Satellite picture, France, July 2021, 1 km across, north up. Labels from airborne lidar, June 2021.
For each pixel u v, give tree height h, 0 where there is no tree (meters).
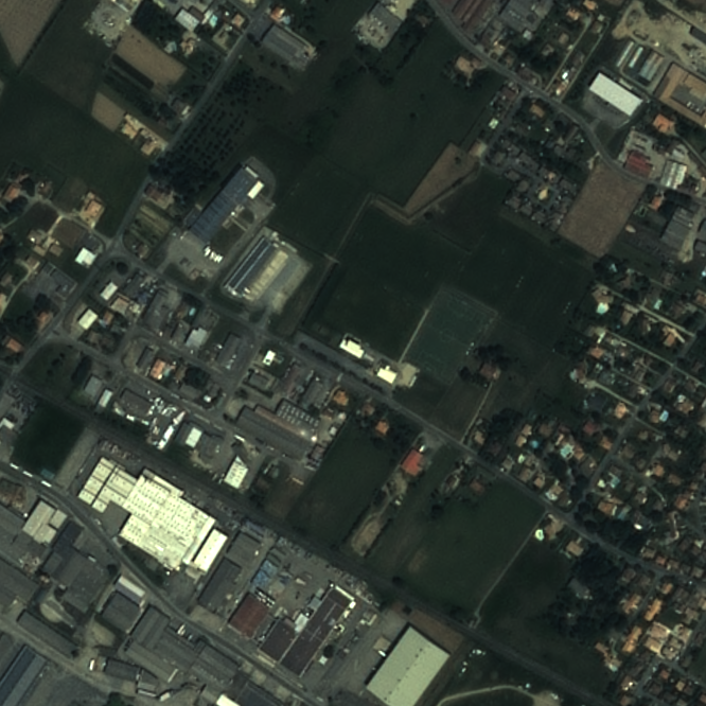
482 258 0
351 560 0
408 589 0
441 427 0
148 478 0
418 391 0
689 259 0
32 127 0
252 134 0
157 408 0
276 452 0
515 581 0
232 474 0
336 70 0
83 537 0
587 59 0
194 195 14
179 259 0
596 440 6
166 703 0
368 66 5
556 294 0
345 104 0
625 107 0
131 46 0
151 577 0
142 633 0
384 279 0
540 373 0
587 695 0
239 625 0
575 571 13
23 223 0
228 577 0
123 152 0
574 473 10
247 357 0
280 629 0
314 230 0
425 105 0
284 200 0
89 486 0
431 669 0
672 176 0
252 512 0
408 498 0
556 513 0
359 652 0
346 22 0
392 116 0
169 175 21
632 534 9
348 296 0
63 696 0
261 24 0
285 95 0
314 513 0
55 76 0
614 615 15
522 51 9
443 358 0
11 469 0
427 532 0
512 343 0
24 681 0
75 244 0
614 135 0
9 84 0
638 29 0
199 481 0
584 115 0
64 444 0
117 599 0
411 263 0
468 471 14
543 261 0
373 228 0
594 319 7
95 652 0
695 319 12
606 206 0
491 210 0
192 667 0
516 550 0
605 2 0
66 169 0
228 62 0
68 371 0
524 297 0
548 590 0
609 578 14
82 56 0
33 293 0
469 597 0
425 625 0
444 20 0
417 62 0
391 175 0
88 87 0
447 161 0
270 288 0
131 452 0
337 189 0
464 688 0
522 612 0
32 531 0
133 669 0
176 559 0
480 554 0
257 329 0
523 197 7
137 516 0
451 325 0
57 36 0
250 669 0
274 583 0
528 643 0
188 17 0
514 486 0
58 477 0
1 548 0
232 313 0
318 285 0
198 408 0
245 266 0
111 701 11
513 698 0
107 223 0
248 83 6
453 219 0
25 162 0
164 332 0
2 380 0
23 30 0
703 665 0
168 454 0
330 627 0
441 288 0
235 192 0
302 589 0
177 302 0
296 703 0
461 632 0
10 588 0
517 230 0
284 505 0
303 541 0
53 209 0
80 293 0
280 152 0
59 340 0
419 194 0
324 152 0
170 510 0
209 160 8
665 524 0
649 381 11
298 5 0
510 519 0
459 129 0
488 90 0
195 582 0
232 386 0
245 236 0
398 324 0
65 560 0
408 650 0
